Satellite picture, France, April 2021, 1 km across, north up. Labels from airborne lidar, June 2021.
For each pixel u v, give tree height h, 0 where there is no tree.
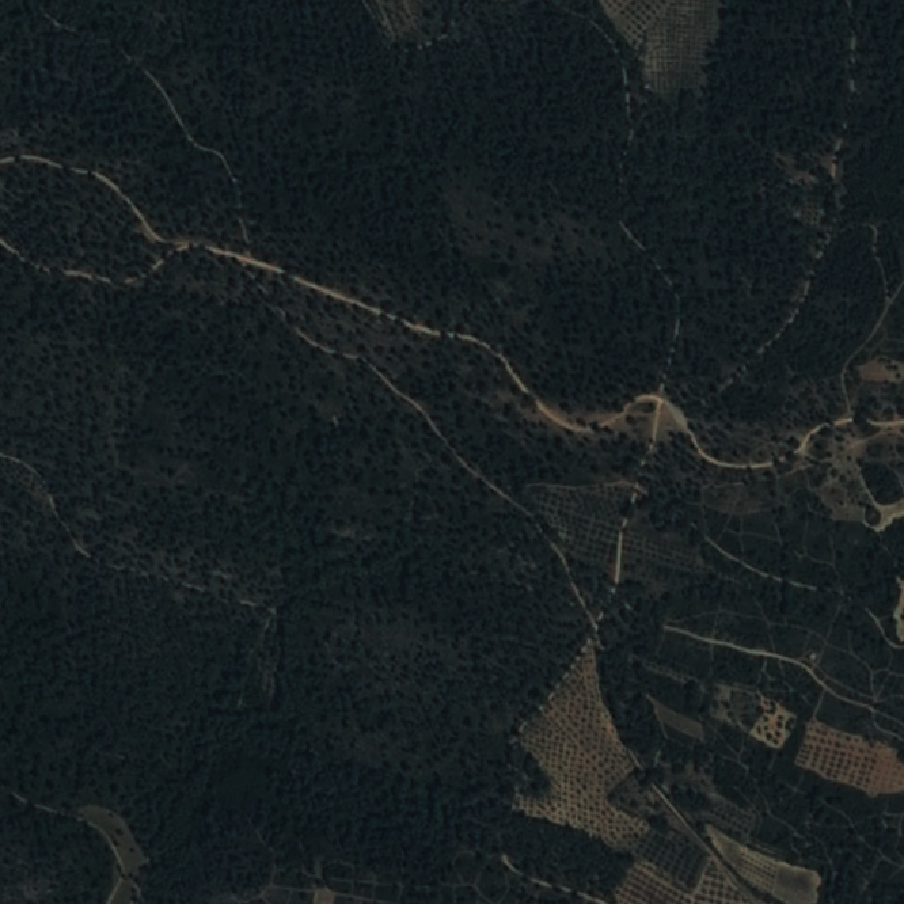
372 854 11
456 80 13
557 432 0
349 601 11
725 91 13
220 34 9
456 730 14
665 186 16
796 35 12
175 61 13
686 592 7
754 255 13
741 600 8
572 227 0
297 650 16
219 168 7
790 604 14
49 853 12
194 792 16
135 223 10
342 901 0
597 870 18
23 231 11
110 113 13
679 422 0
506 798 15
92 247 11
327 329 0
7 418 12
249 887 6
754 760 7
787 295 12
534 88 12
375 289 8
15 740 23
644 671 14
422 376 0
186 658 15
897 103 11
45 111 9
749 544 0
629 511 13
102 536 8
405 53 14
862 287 9
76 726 14
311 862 6
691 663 0
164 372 11
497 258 11
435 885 12
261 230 11
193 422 12
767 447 0
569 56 14
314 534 13
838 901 13
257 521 14
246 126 11
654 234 15
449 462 17
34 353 0
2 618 14
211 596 10
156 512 12
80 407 12
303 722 14
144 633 12
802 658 0
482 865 8
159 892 13
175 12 15
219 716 20
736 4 9
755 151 9
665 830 13
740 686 0
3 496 14
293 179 13
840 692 0
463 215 0
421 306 12
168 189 13
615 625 12
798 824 6
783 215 14
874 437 0
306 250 12
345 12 12
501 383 11
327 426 16
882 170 9
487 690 15
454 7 13
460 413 13
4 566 10
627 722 11
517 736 14
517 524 13
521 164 14
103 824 0
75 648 13
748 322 10
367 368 14
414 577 17
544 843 16
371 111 8
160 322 12
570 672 11
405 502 7
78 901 15
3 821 13
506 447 12
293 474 14
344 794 12
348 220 11
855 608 14
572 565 11
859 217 9
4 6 12
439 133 15
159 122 15
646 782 14
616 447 13
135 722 14
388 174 13
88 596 14
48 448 12
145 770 12
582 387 12
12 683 16
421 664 14
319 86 7
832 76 12
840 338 7
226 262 14
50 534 11
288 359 10
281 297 13
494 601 11
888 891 9
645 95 10
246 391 6
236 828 10
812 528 0
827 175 11
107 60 12
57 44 10
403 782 17
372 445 15
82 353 8
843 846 11
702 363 13
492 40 13
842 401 6
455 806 19
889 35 13
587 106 12
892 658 0
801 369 10
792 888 0
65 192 10
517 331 11
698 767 8
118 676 14
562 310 11
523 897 11
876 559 14
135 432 10
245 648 18
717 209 14
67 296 12
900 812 0
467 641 13
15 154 9
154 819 12
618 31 11
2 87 11
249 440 11
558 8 13
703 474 11
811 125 12
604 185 15
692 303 14
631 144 17
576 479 0
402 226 14
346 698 15
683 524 12
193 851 12
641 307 14
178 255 11
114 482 10
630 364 12
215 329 12
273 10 14
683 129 12
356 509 0
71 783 18
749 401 9
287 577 15
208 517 15
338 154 13
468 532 14
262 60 11
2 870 0
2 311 13
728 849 0
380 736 14
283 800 15
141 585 13
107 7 7
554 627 11
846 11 13
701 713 8
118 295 11
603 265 13
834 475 7
